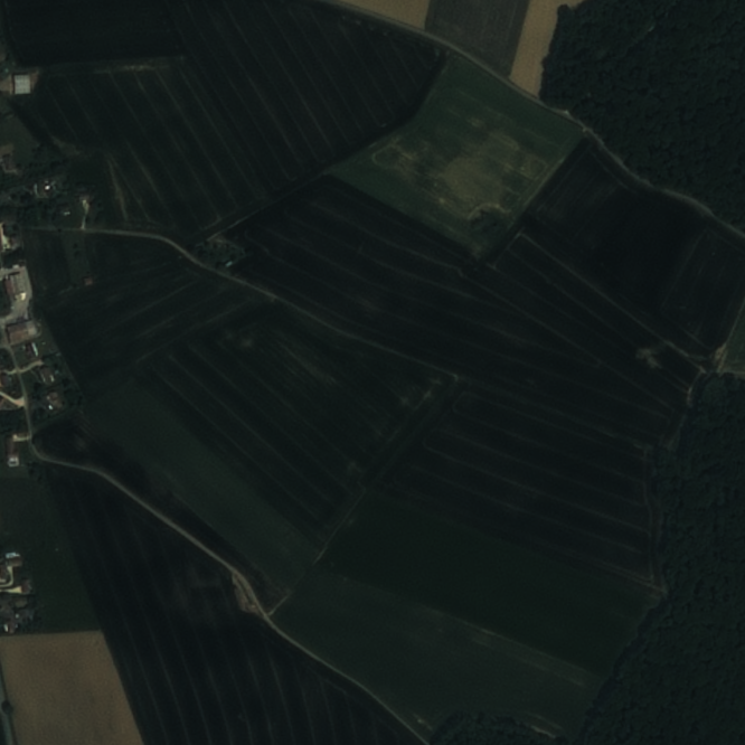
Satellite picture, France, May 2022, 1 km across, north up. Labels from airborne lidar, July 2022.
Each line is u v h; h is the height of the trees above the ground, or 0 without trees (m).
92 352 0
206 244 9
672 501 26
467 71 0
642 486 0
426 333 0
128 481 0
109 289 0
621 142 25
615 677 14
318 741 0
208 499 0
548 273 0
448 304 0
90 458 0
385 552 0
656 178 24
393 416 0
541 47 0
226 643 0
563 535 0
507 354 0
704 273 0
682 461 23
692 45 19
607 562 0
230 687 0
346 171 0
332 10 0
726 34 26
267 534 0
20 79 0
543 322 0
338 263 0
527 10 0
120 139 0
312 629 0
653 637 24
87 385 0
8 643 0
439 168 0
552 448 0
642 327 0
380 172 0
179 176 0
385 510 0
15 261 8
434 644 0
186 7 0
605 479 0
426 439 0
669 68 27
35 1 0
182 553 0
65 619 0
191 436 0
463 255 0
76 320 0
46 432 0
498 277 0
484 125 0
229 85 0
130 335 0
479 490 0
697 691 32
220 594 0
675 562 21
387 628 0
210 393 0
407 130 0
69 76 0
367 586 0
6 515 0
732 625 30
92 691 0
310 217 0
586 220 0
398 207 0
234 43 0
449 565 0
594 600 0
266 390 0
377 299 0
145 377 0
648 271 0
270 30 0
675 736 34
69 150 0
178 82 0
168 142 0
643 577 0
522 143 0
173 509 0
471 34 0
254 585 0
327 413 0
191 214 0
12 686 0
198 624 0
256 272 0
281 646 0
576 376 0
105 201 0
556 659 0
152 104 0
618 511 0
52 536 0
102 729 0
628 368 0
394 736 0
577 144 0
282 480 0
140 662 0
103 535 0
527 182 0
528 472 0
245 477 0
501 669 0
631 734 30
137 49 0
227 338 0
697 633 30
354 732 0
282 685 0
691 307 0
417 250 0
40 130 0
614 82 32
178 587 0
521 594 0
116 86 0
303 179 0
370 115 0
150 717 0
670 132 32
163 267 0
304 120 0
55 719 0
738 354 0
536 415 0
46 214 8
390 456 0
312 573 0
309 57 0
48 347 0
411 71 0
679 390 0
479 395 0
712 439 33
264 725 0
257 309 0
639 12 22
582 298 0
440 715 0
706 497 29
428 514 0
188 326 0
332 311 0
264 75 0
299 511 0
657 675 34
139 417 0
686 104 31
